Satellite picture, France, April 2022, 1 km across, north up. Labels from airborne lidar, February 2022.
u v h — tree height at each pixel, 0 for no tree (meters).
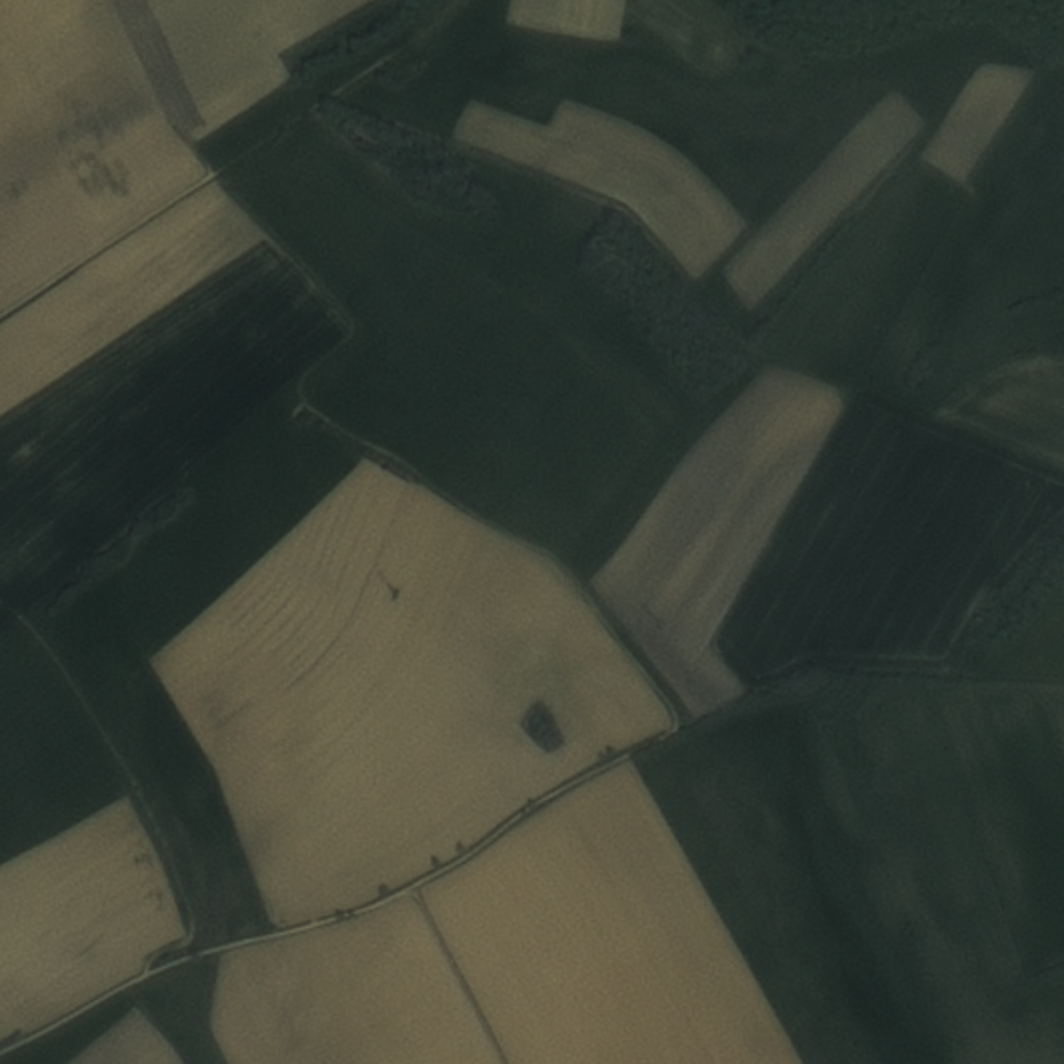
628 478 0
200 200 0
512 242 0
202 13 0
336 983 0
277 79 0
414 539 0
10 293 0
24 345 0
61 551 0
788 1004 0
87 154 0
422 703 0
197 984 0
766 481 0
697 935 0
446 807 0
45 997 0
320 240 0
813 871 0
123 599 0
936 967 0
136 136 0
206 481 0
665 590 0
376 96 0
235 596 0
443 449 0
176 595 0
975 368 0
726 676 0
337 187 0
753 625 0
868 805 6
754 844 0
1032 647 0
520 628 0
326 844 0
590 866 0
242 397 0
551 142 0
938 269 0
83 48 0
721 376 9
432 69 0
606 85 0
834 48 19
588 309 0
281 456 0
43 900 0
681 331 19
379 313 0
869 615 0
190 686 0
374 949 0
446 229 0
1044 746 0
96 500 0
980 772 0
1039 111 0
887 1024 0
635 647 0
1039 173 0
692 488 0
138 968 0
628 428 0
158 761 0
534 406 0
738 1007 0
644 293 19
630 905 0
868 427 0
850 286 0
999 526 0
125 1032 0
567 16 0
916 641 0
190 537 0
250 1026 0
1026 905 0
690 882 0
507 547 0
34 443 0
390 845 0
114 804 0
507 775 0
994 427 0
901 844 0
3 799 0
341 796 0
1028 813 0
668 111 0
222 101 0
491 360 0
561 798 0
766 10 25
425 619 0
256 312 0
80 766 0
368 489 0
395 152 23
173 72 0
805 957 0
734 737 0
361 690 0
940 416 0
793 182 0
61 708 0
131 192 0
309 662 0
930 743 0
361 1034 0
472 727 0
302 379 0
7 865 0
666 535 0
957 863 0
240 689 0
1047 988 0
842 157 0
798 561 0
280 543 0
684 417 0
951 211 0
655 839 0
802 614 0
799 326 0
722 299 0
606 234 12
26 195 0
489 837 0
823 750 0
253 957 0
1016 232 0
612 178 0
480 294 0
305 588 0
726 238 0
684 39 0
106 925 0
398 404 0
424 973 0
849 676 9
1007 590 13
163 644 0
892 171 0
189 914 0
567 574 0
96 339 0
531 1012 0
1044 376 0
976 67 0
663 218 0
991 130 0
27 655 0
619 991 0
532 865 0
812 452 0
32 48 0
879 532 0
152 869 0
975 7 19
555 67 0
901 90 0
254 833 0
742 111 0
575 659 0
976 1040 0
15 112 0
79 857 0
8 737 0
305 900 0
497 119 0
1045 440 0
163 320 0
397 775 0
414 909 0
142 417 0
